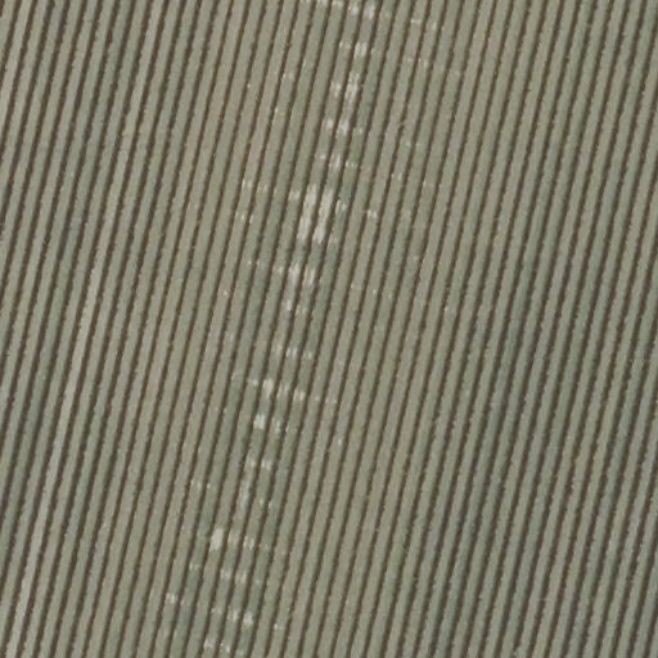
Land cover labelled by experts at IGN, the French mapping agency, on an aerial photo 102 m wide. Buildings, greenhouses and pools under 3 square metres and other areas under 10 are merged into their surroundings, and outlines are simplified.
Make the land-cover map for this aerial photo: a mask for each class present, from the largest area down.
<instances>
[{"label":"vineyard","instance_id":"1","mask_svg":"<svg viewBox=\"0 0 658 658\"><path fill-rule=\"evenodd\" d=\"M0 658H658V0H0Z\"/></svg>","mask_w":658,"mask_h":658}]
</instances>
